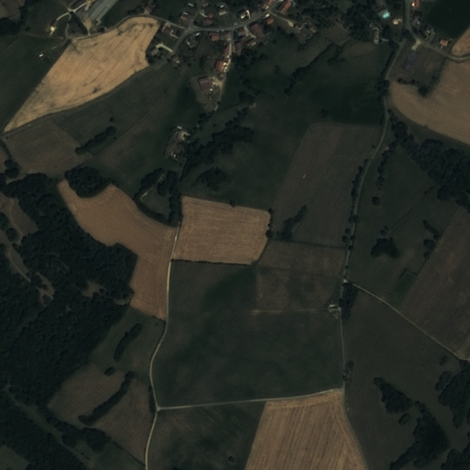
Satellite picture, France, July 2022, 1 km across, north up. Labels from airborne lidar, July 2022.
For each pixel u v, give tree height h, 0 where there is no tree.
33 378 16
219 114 0
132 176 0
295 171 0
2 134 0
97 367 0
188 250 0
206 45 0
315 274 0
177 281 0
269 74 0
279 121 0
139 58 0
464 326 0
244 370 0
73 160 0
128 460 0
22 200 15
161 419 0
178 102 0
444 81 0
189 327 0
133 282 0
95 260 23
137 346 0
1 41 0
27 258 12
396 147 15
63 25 0
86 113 0
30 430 15
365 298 0
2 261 12
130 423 0
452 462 10
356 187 10
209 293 0
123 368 0
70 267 17
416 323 0
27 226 0
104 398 0
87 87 0
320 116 0
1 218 19
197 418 0
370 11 16
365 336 0
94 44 0
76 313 16
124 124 0
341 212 0
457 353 0
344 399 0
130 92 0
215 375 0
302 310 0
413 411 0
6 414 10
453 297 0
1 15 0
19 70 0
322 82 0
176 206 12
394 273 0
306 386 0
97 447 20
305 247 0
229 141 8
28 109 0
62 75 0
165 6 0
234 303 0
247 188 0
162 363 0
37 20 0
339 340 0
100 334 17
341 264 0
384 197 0
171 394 0
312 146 0
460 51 0
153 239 0
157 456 0
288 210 0
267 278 0
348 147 0
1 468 0
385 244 23
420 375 0
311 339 0
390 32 19
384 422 0
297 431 0
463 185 17
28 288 12
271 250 0
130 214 0
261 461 0
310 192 0
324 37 0
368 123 0
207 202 0
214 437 0
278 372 0
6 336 14
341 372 0
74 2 0
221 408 0
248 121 0
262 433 0
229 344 0
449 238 0
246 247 0
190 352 0
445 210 0
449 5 0
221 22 0
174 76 0
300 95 0
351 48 0
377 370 0
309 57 0
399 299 0
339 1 0
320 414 0
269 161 0
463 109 0
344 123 0
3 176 14
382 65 0
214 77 0
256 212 0
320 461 0
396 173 0
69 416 0
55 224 17
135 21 0
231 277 0
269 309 0
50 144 0
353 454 0
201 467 0
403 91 0
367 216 0
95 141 8
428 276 0
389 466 0
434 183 0
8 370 18
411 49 0
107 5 0
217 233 0
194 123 0
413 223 0
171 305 0
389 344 0
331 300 0
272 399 0
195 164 7
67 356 19
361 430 0
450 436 0
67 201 0
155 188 0
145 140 0
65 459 17
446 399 13
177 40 0
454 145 0
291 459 0
